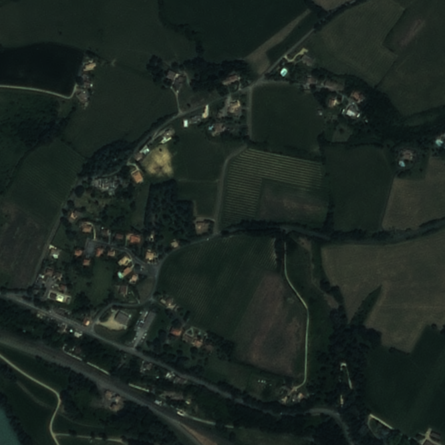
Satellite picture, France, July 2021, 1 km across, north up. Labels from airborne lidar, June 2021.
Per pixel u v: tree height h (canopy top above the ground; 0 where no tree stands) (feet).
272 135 0
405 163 32
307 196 0
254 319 0
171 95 0
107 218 48
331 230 60
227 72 44
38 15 0
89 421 0
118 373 72
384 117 27
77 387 53
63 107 0
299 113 0
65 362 0
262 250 0
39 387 0
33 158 0
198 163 0
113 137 0
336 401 122
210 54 0
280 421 31
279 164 0
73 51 0
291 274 0
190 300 0
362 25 0
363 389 56
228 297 0
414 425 0
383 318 0
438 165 0
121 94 0
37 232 0
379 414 0
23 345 0
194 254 0
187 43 0
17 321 23
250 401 77
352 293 0
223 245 0
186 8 0
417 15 0
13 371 54
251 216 0
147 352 32
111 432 0
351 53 0
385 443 70
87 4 0
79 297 24
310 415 43
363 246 0
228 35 0
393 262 0
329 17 34
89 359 30
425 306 0
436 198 0
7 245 0
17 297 0
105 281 0
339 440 66
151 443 60
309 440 0
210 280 0
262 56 0
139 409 81
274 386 0
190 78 0
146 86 0
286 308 0
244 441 0
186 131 0
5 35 0
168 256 0
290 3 0
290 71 26
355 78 39
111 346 0
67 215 32
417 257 0
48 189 0
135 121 0
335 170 0
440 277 0
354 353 82
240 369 0
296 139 0
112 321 0
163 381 44
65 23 0
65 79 0
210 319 0
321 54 0
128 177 70
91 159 22
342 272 0
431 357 0
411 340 0
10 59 0
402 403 0
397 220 0
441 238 0
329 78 29
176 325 54
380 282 0
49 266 21
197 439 0
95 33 0
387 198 0
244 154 0
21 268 0
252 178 0
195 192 0
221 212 0
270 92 0
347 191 0
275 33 0
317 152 0
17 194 0
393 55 0
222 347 27
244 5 0
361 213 0
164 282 0
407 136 28
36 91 0
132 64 0
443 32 0
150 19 0
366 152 0
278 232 57
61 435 0
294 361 0
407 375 0
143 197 0
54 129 90
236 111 0
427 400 0
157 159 0
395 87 0
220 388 55
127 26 0
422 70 0
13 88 0
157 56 41
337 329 76
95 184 0
